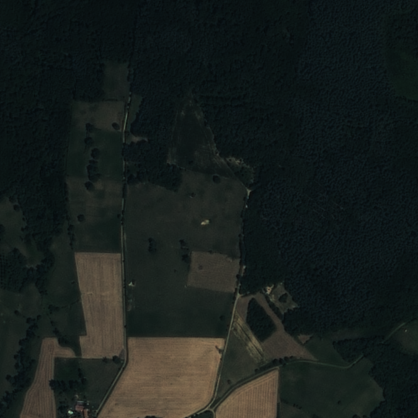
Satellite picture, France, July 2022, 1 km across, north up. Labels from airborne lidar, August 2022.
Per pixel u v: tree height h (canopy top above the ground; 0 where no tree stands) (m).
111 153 0
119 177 0
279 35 20
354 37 33
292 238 25
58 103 23
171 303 0
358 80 38
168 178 16
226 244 0
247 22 19
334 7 35
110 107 0
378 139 20
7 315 0
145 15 21
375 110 26
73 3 26
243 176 8
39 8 18
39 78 21
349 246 33
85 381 16
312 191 16
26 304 0
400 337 0
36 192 20
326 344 0
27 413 0
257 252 19
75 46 26
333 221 22
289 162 17
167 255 0
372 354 15
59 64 13
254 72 24
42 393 0
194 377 0
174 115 15
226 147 17
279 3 21
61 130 15
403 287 25
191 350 0
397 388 11
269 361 0
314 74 34
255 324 14
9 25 12
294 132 20
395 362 13
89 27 24
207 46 20
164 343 0
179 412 0
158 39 22
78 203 0
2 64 25
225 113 21
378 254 30
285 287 13
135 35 22
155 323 0
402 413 33
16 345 0
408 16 10
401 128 20
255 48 21
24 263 18
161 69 18
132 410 0
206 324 0
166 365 0
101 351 0
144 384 0
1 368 0
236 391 0
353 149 24
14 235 0
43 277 28
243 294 7
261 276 18
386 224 30
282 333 0
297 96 32
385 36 6
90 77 27
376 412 16
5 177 11
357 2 34
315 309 26
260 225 19
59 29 26
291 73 27
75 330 0
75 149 0
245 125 21
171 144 10
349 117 29
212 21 24
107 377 0
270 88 25
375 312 14
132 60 18
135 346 0
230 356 0
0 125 17
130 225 0
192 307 0
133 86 18
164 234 0
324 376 0
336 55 37
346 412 0
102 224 0
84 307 0
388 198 28
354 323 17
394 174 27
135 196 0
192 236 0
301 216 13
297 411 0
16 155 13
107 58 15
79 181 0
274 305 15
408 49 6
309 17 24
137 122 14
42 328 0
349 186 26
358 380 0
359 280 29
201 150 0
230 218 0
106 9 11
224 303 0
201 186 0
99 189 0
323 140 27
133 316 0
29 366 17
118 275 0
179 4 21
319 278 18
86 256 0
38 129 23
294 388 0
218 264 0
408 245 29
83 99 22
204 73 21
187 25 21
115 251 0
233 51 23
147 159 18
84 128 0
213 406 0
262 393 0
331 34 34
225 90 22
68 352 0
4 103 22
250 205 17
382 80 33
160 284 0
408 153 21
